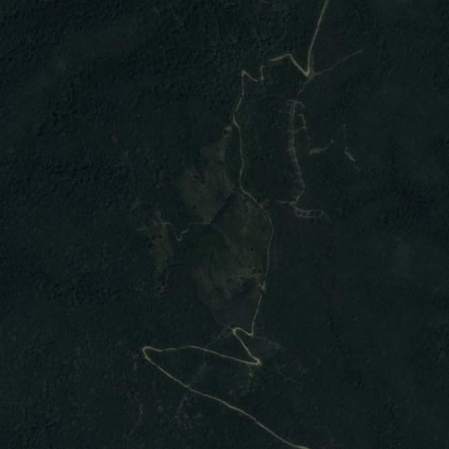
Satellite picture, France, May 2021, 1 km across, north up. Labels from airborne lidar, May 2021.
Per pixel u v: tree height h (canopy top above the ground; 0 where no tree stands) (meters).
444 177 9
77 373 10
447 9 19
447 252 6
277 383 6
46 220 7
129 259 9
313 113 6
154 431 7
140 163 8
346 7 7
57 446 10
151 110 7
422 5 10
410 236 8
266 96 6
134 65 23
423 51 10
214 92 7
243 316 0
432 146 12
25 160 23
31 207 10
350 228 7
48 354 10
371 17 9
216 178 0
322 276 7
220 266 0
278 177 6
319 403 6
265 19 16
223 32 20
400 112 7
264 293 6
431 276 6
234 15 20
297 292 7
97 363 10
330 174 11
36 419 12
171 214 7
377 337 7
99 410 8
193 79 8
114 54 8
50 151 7
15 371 6
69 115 8
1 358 6
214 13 18
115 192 8
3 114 7
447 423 8
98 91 11
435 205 9
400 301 11
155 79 7
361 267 6
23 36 17
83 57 8
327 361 8
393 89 6
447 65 18
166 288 6
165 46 26
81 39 6
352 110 10
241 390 6
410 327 8
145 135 7
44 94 8
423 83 8
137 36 8
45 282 19
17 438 14
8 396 5
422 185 10
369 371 7
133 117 8
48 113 20
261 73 6
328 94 6
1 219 14
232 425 6
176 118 6
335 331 17
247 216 0
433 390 9
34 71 10
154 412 5
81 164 13
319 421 7
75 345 9
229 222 0
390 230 10
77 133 13
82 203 10
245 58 7
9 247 9
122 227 8
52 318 8
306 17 11
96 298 15
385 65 7
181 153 7
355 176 7
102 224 7
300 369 9
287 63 8
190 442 7
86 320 8
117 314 7
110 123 8
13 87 7
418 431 8
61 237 7
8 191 12
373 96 6
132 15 9
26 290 8
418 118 6
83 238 10
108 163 10
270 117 6
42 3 27
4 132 6
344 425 7
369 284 8
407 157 8
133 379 7
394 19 8
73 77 18
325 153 8
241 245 0
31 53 11
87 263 8
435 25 9
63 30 12
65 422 12
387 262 7
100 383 6
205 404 7
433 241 9
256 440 6
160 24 12
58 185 15
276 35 14
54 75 6
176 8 10
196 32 15
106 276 9
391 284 9
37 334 10
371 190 7
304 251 6
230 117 8
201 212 0
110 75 22
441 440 6
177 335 8
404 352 7
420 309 10
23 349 9
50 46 12
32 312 7
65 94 16
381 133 7
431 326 12
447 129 6
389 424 14
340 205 13
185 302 8
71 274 10
